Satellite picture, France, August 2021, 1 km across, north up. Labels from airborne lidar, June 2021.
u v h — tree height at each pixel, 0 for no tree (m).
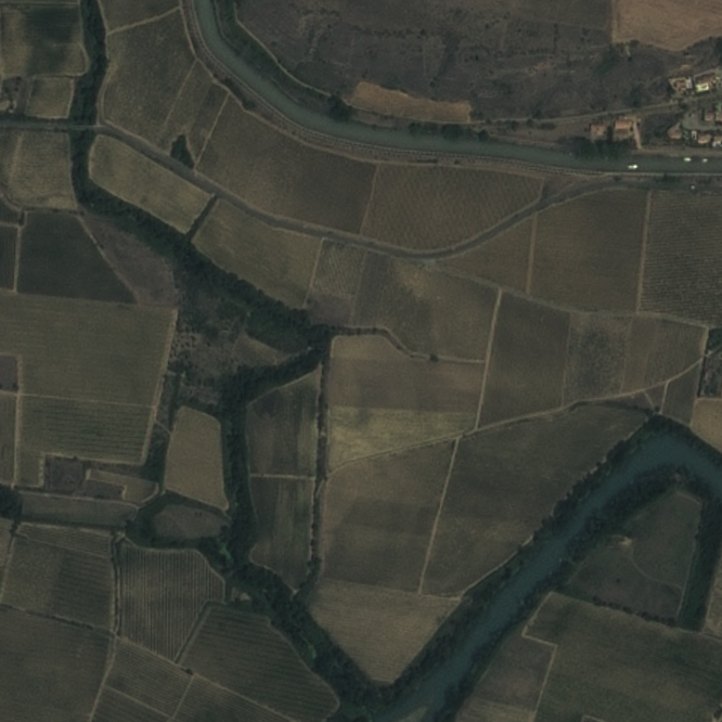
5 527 0
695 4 0
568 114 0
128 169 0
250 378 13
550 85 0
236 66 0
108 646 0
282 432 0
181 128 0
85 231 0
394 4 0
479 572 0
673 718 0
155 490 0
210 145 0
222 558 9
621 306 0
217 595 0
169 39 0
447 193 0
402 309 0
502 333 0
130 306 0
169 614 0
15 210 0
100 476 0
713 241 0
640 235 0
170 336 0
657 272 0
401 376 0
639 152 0
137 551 0
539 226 0
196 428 0
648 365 0
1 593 0
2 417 0
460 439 0
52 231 0
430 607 0
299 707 0
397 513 0
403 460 0
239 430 6
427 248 0
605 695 0
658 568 0
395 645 0
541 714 0
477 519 0
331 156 0
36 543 0
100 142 0
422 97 0
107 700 0
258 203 0
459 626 13
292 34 0
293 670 0
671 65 0
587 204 0
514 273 0
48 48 0
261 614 6
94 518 0
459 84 0
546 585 10
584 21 0
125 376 0
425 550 0
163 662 0
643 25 0
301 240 0
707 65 0
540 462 0
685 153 0
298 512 0
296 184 0
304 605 6
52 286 0
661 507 0
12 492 18
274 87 0
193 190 0
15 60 0
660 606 0
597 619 0
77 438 0
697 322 0
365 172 0
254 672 0
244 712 0
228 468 6
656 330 0
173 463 0
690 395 0
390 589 0
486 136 14
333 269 0
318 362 8
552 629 0
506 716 0
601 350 0
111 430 0
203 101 0
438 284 0
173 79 0
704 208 0
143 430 0
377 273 0
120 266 0
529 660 0
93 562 0
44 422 0
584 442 0
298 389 0
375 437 0
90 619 0
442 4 0
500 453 0
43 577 0
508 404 0
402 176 0
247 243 0
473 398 0
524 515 0
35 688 0
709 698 0
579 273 0
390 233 0
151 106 0
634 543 0
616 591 0
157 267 0
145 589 0
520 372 0
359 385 0
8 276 0
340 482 0
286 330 10
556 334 0
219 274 5
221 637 0
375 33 6
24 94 0
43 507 0
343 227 0
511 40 0
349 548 0
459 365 0
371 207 0
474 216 0
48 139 0
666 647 0
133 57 0
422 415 0
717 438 0
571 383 0
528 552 16
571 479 0
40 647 0
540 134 0
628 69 0
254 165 0
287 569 0
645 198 0
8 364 0
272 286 0
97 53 8
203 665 0
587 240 0
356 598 0
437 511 0
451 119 0
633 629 0
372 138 0
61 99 0
